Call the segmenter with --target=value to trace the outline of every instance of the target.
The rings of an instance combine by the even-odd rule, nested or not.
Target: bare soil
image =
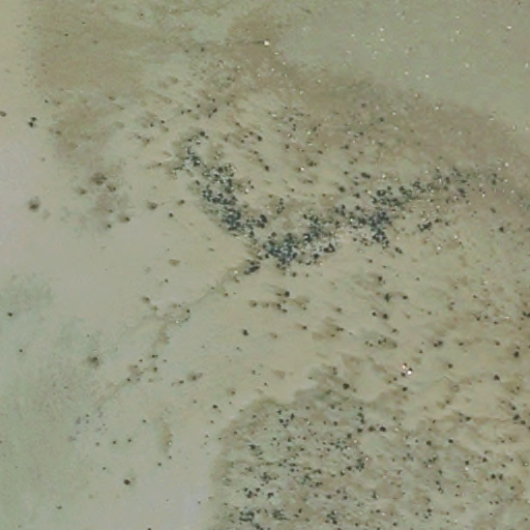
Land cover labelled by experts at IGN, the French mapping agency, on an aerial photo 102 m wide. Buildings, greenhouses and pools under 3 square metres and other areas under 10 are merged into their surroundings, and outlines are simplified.
[[[0,530],[530,530],[530,0],[0,0]]]

